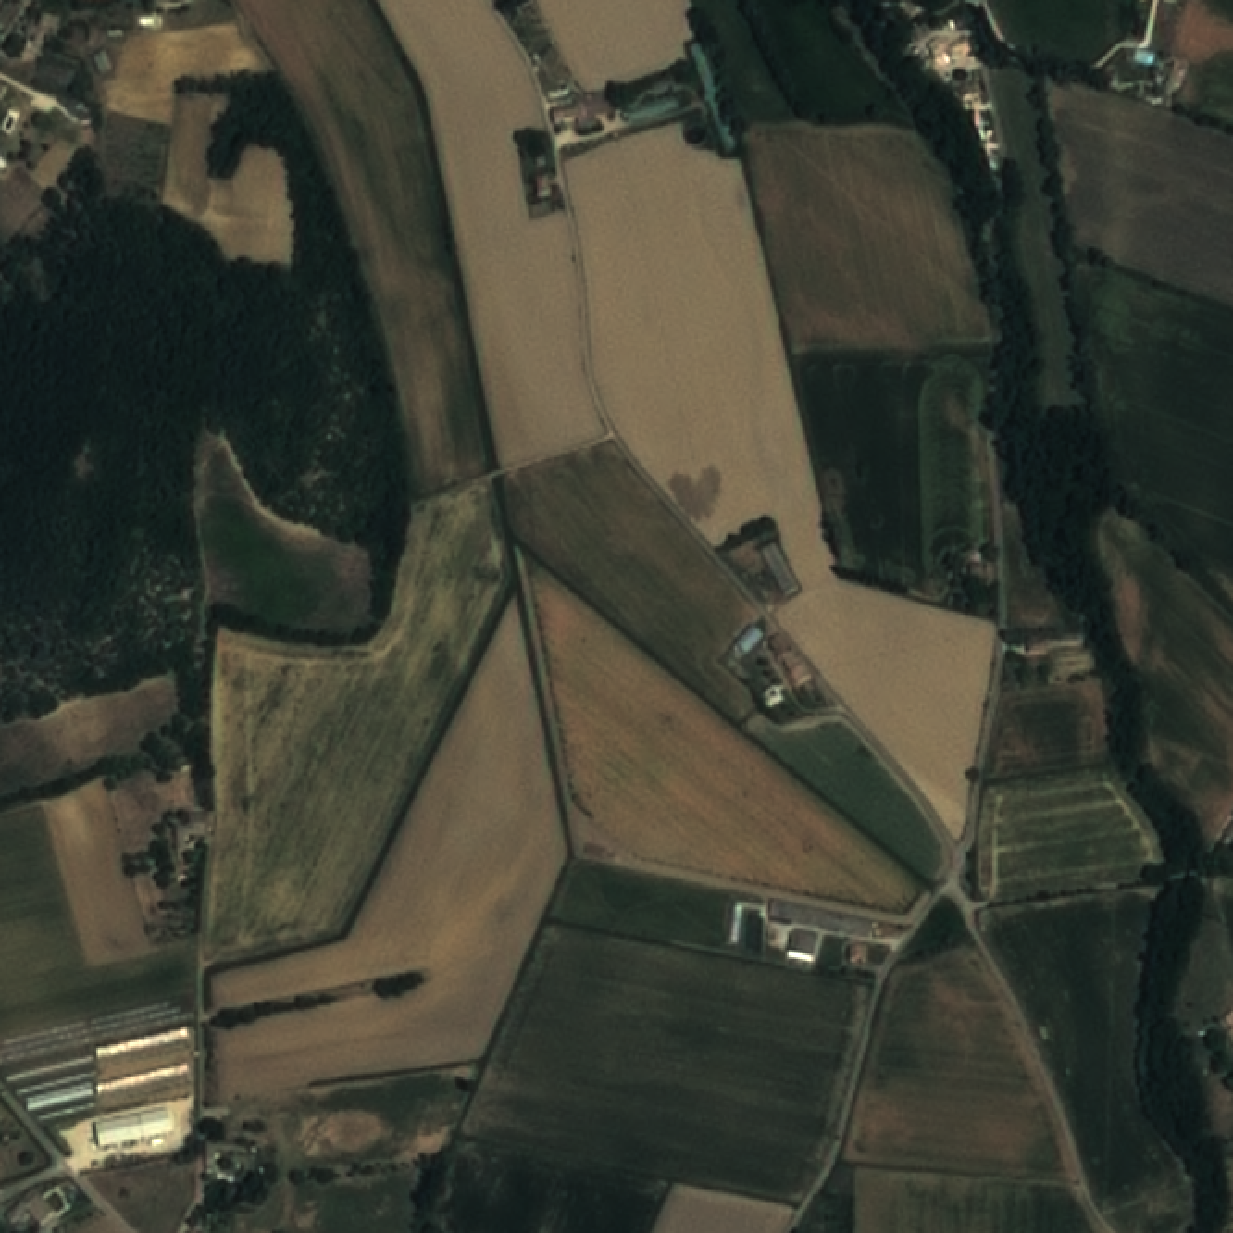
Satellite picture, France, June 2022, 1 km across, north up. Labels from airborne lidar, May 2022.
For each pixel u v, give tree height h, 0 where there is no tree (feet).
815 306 0
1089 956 0
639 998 0
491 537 0
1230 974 0
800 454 0
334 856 0
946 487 0
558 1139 0
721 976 0
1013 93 0
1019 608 0
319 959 0
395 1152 0
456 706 0
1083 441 36
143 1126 0
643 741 0
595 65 0
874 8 69
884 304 0
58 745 0
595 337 0
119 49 0
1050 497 73
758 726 0
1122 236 0
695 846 0
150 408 41
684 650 0
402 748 0
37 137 0
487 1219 0
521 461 0
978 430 0
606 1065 0
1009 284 58
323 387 35
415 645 0
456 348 0
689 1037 0
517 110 0
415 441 0
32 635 27
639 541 0
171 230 36
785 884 0
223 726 0
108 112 0
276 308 34
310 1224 0
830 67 0
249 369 33
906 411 0
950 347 0
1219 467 0
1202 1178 51
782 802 0
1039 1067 0
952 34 0
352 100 0
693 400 0
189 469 30
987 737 0
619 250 0
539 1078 0
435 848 0
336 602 0
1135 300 0
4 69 0
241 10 0
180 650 32
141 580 29
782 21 0
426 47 0
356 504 19
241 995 0
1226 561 0
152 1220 0
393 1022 0
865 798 0
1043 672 26
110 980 0
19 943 0
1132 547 0
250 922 0
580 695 0
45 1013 0
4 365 46
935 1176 0
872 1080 0
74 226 30
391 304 0
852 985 0
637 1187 0
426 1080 0
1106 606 53
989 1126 0
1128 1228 0
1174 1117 70
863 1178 0
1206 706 0
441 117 0
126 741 0
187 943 0
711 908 0
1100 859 0
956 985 0
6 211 0
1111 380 0
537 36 0
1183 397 0
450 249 33
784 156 0
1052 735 0
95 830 0
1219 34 0
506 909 0
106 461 25
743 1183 0
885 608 0
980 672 0
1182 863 36
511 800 0
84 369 50
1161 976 73
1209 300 0
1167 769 0
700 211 0
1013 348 81
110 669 23
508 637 0
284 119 26
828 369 0
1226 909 0
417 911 0
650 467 0
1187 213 0
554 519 0
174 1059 0
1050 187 47
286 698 0
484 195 0
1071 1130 0
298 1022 0
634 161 0
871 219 0
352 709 0
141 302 37
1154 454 0
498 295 0
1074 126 0
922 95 46
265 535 0
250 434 23
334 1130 0
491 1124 0
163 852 44
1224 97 0
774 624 0
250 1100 0
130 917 0
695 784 0
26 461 43
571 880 0
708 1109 0
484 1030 0
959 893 0
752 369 0
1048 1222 0
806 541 0
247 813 0
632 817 0
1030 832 0
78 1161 0
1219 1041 47
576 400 0
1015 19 0
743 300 0
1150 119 0
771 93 0
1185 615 0
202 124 0
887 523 0
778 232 0
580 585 0
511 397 0
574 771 0
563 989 0
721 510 0
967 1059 0
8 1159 0
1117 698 33
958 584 29
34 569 27
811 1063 0
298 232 30
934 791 0
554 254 0
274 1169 34
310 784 0
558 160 0
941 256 0
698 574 0
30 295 33
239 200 0
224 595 0
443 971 0
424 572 0
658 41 0
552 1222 0
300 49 0
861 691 0
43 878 0
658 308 0
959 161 21
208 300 22
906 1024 0
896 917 0
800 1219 0
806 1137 0
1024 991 0
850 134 0
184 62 0
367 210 0
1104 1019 0
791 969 0
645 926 0
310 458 20
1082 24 0
